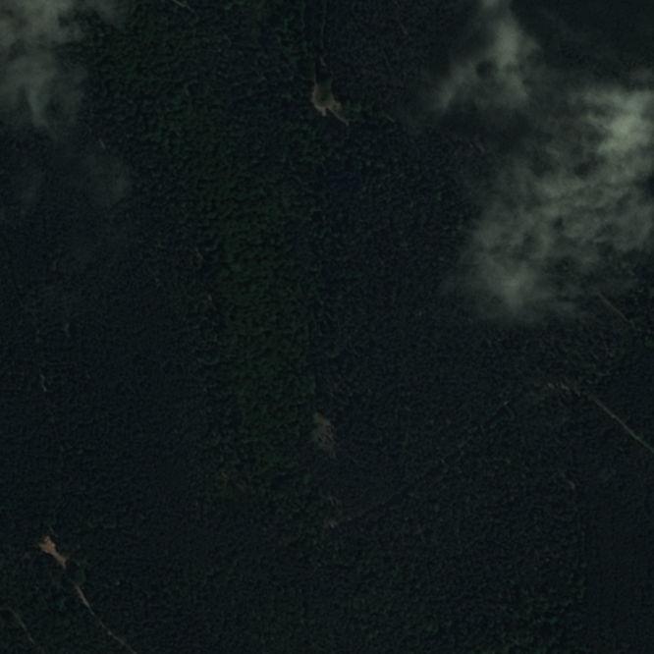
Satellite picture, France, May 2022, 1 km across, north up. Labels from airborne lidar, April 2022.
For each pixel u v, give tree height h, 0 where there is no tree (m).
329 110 0
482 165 30
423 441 29
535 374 24
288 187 29
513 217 31
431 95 17
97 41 29
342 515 25
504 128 14
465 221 27
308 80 23
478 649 24
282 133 26
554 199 28
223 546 20
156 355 16
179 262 22
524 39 17
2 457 25
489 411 13
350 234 34
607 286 39
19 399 21
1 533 26
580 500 19
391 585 27
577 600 13
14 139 13
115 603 31
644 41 19
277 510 19
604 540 20
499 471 22
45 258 24
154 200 25
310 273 19
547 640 29
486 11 16
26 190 29
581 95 17
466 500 20
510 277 26
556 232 38
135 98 32
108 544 27
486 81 14
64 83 9
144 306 18
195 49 25
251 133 26
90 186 25
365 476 22
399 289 30
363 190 33
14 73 25
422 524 28
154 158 25
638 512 22
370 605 25
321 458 24
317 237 16
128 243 23
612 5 15
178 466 15
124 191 21
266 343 29
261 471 7
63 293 27
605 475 22
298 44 23
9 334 22
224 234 29
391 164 33
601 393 19
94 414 24
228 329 27
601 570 18
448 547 29
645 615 19
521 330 23
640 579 20
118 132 25
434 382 27
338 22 17
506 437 30
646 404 19
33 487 23
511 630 31
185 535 23
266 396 27
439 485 28
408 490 24
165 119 30
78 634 27
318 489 22
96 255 21
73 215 19
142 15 31
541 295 24
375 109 33
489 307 26
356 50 29
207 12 28
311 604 25
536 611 7
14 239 27
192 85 32
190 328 26
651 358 17
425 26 26
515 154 21
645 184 19
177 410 20
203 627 29
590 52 18
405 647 25
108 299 16
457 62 14
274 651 22
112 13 27
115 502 19
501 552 25
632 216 19
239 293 28
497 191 30
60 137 19
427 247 29
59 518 20
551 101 15
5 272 23
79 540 22
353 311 33
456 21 14
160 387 17
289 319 30
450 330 28
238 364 29
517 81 16
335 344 35
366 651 23
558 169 20
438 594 25
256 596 23
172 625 30
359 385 30
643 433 20
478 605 23
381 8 23
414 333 29
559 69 19
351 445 28
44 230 30
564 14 18
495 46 19
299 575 25
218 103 26
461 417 23
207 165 27
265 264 27
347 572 27
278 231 29
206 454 10
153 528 24
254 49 32
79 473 21
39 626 14
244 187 30
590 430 19
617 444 23
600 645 21
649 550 20
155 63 26
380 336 27
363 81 19
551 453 25
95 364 21
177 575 27
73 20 30
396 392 24
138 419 23
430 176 28
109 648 23
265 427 26
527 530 24
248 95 32
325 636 23
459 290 28
